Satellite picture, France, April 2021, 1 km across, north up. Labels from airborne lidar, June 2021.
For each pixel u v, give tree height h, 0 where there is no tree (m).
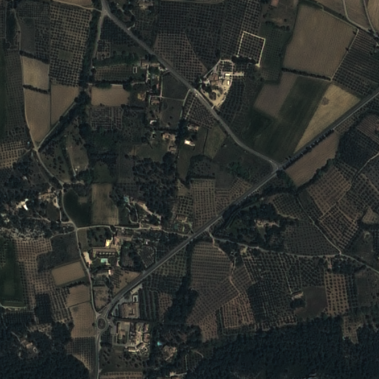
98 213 0
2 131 0
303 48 0
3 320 9
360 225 8
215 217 0
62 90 0
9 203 11
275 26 6
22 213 11
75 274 0
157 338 6
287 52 0
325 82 0
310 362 10
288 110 0
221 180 0
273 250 8
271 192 14
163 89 0
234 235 12
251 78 11
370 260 0
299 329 9
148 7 6
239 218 15
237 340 6
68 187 11
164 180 11
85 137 21
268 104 0
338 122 0
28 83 0
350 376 7
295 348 12
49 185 0
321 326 15
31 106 0
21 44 0
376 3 0
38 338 8
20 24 0
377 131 8
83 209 0
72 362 13
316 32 0
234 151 0
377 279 0
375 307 7
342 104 0
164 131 12
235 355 10
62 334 11
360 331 9
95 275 11
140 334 0
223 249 7
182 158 0
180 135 16
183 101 0
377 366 11
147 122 13
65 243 0
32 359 10
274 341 11
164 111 0
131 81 13
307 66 0
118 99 0
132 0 11
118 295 0
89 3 0
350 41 0
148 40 7
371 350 10
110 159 7
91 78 14
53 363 17
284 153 0
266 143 0
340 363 9
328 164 7
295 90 0
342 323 6
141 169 11
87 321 0
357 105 0
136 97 0
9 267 0
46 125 0
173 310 11
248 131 0
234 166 8
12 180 10
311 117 0
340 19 0
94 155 10
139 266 11
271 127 0
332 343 12
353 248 6
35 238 9
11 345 11
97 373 0
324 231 7
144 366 9
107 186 0
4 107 0
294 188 13
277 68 0
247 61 10
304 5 0
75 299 0
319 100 0
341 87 0
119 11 10
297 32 0
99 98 0
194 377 9
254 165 0
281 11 0
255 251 9
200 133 0
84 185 7
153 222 14
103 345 14
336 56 0
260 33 0
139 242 12
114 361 0
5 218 11
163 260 0
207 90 12
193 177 5
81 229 0
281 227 7
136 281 0
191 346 16
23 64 0
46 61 10
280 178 10
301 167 0
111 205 0
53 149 6
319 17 0
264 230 0
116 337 0
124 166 0
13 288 0
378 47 6
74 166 0
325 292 0
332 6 0
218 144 0
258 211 17
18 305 0
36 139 0
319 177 10
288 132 0
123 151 0
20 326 14
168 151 0
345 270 8
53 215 0
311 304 0
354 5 0
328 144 0
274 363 9
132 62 17
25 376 9
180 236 5
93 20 9
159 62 10
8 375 12
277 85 0
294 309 17
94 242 0
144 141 14
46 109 0
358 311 14
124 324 0
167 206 15
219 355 16
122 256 8
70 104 0
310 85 0
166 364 14
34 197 9
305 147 0
